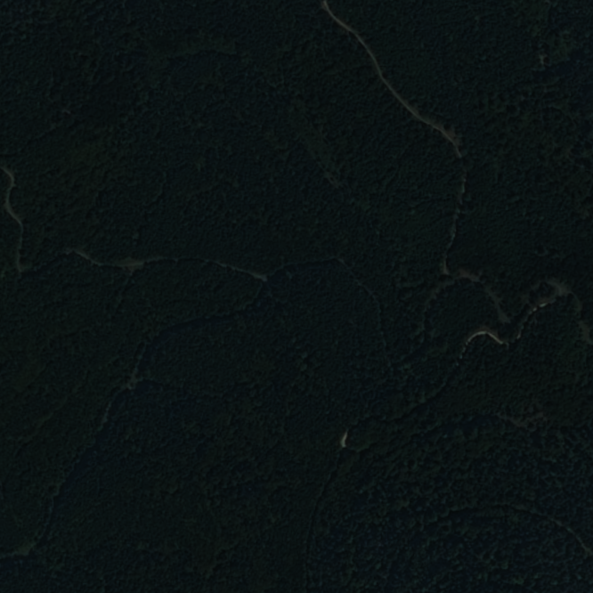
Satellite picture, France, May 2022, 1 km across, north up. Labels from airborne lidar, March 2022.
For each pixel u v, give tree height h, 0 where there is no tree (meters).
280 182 26
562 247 14
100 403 19
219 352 21
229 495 23
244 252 22
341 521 13
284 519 15
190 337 25
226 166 23
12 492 15
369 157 15
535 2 14
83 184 14
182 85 21
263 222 15
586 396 11
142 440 23
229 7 25
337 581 28
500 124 14
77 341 24
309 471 22
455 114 21
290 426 22
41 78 17
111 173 14
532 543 34
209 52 29
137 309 25
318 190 25
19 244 14
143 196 14
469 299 13
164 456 22
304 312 29
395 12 17
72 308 20
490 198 13
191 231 16
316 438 18
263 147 22
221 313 15
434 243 10
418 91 16
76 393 18
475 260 17
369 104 15
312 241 23
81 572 21
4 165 13
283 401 27
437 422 13
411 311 18
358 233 18
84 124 15
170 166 16
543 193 19
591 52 27
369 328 25
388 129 19
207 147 17
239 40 23
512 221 13
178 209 19
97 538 15
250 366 23
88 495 20
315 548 13
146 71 24
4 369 24
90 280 13
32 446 14
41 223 13
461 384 11
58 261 15
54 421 14
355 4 17
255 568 21
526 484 23
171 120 19
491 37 18
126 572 25
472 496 21
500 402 6
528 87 12
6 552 22
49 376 16
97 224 19
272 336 26
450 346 13
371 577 25
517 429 14
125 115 18
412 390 25
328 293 26
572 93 17
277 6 23
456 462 22
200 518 22
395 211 15
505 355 7
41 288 14
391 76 14
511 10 17
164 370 19
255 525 20
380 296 20
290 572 10
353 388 27
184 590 24
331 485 17
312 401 27
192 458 27
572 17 24
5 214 15
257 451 26
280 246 19
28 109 14
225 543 14
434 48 21
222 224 18
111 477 20
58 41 13
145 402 20
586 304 15
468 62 18
